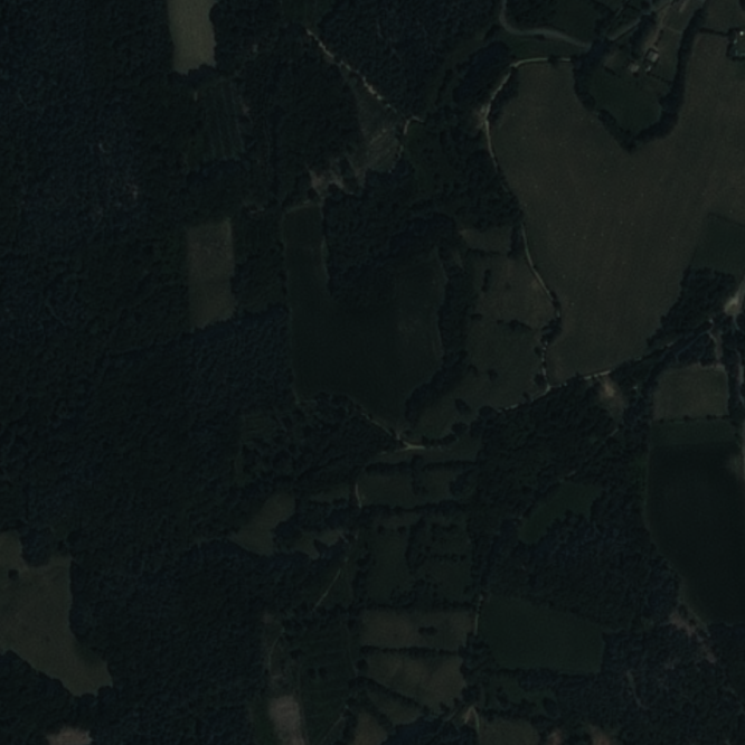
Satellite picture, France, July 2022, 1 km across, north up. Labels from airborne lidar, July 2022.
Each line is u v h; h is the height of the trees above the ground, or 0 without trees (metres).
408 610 13
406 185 23
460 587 0
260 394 21
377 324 0
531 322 0
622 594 22
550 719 11
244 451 20
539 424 13
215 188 26
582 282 0
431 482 0
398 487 0
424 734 25
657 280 0
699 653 30
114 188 21
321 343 0
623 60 0
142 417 22
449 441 13
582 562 29
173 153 18
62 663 0
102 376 24
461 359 24
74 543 22
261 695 14
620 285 0
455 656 6
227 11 21
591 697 21
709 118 0
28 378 25
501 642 0
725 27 0
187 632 20
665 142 0
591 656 0
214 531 21
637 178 0
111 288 29
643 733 28
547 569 28
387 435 7
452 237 22
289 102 25
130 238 22
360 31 19
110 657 19
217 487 29
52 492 29
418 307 0
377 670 0
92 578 24
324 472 14
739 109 0
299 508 14
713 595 0
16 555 0
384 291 23
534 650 0
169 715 30
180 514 23
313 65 24
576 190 0
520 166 0
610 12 13
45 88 27
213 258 0
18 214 22
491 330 0
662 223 0
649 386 19
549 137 0
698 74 0
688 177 0
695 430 0
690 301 10
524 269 0
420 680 0
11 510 5
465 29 24
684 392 0
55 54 30
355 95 26
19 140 19
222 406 23
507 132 0
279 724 0
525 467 8
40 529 27
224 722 24
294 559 20
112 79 23
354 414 6
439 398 20
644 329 0
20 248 18
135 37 22
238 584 23
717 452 0
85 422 27
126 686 26
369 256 18
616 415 0
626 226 0
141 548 9
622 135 16
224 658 22
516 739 0
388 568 0
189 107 25
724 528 0
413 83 19
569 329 0
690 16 0
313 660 0
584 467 10
